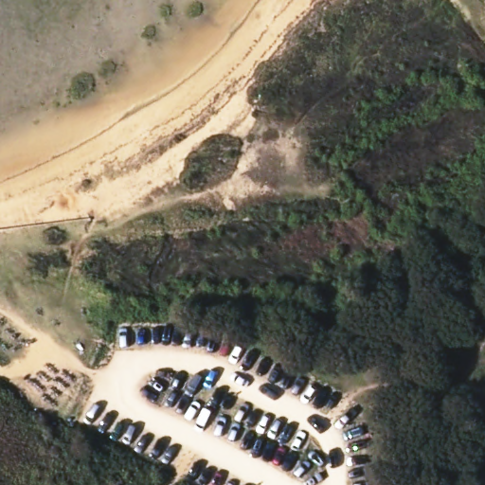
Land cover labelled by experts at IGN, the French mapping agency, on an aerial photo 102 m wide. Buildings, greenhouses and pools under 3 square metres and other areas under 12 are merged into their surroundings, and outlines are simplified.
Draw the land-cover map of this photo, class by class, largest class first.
<instances>
[{"label":"herbaceous vegetation","instance_id":"1","mask_svg":"<svg viewBox=\"0 0 485 485\"><path fill-rule=\"evenodd\" d=\"M313 8L301 17V21L294 28L299 38L296 47L286 49L280 57H271L269 61L258 64L254 72L256 81L248 91V104L254 110V125L246 136L248 142H269L284 138L286 129L292 127L296 138L301 140L299 155L303 157L307 169V182L311 186L328 184L330 191L326 197L339 203V218H343L350 229L356 231L362 244H366L369 237V225H375L377 231H381L392 222L396 210L402 207L415 208L417 203H421L422 193L419 186L432 188L451 184L458 174L455 165H464L468 161V155L476 152L477 136L485 133V42L477 36L476 30L464 19V15L455 8L457 0H309ZM242 155L241 136L220 133L208 136L207 140H203L186 157L180 180L191 193L220 186L222 182L231 178V174L239 165ZM263 195H248L242 199L241 205L231 210L225 207L212 210L199 201L178 203L161 208L157 212L140 214L121 224L108 231L104 239L125 244L127 241L142 239L146 235H172L176 239L186 233H197L224 224L263 220ZM63 250L70 261V267H51L47 277L28 271L30 252L55 254ZM93 256V250L89 248V239L85 241L68 233L63 244H49L44 231H40L38 227H30V231L23 237V244H0V301L6 299L28 324L51 333V337L61 347L70 350L76 358H80L87 368L99 369L100 362L108 356L112 343L108 339H102V330H106V309L110 307L112 296L110 292H104L97 282L85 278L81 271V263ZM441 375L447 377L455 386L464 385L470 388L472 396L481 405L479 411L472 413L474 421L485 426V339L479 343V349L445 345L438 354ZM314 379L318 383L330 386L333 392H339L341 396L354 386L377 383V388H386L388 383L381 381V375L375 369H366L358 375L343 377L314 373ZM91 451L83 440V434L78 430L63 428L61 438H53L42 417H32L30 413H23L21 404L9 392L0 388V485H99L95 474L89 470ZM354 405L362 407V413L358 417L368 426L369 440L366 449L369 458L364 470L368 485H379V479L373 474V470L377 466L379 451L383 449V438L377 434L381 422L377 419V413L373 411L375 396L371 392L358 396L354 402Z\"/></svg>","mask_w":485,"mask_h":485},{"label":"bare soil","instance_id":"2","mask_svg":"<svg viewBox=\"0 0 485 485\"><path fill-rule=\"evenodd\" d=\"M313 8L309 0H0V225L53 222L55 225L59 220L87 216L89 212L106 220H119L121 224L140 214L157 212L161 208L178 203L199 201L212 210L225 207L231 210L241 205L242 199L248 195H263L278 197L286 193H301L305 199L326 197L330 191L328 184L311 186L307 182V169L303 157L299 155L301 140L296 138L292 127L286 129L284 138L269 142H248L246 136L254 125V110L248 104V91L256 81L254 72L258 64L269 61L271 57H280L286 49L296 47L299 38L294 28L301 21V17ZM220 133L241 136L242 155L239 165L231 174V178L222 182L220 186L191 193L180 180L186 157L203 140H207L208 136Z\"/></svg>","mask_w":485,"mask_h":485},{"label":"pervious surface","instance_id":"3","mask_svg":"<svg viewBox=\"0 0 485 485\"><path fill-rule=\"evenodd\" d=\"M455 8L464 15V19L476 30L477 36L485 42V0H457ZM121 224L119 220H106L89 212L87 216L59 220L55 225L53 222L0 225V244H23V237L30 231V227H38L40 231H44L49 244H63L68 233L85 241L89 239L95 235L104 239L108 231ZM242 332V328L237 324L233 326V332L229 335L224 333L220 341L205 335L193 333L189 337L172 324L155 326V322H121L117 326V341L112 343L108 356L100 362L99 369L87 368L80 358H76L70 350L61 347L51 337V333L28 324L6 299L0 301V388L9 392L21 404L23 413H30L32 417H42L53 438H61L63 428L78 430L83 434V440L91 451L99 455H110V449L114 447L119 449L125 460H136L140 453L167 466H174L176 474L167 485H368L364 470L369 458L366 449L369 440L368 426L358 417L362 413V407L354 405V402L358 396L371 392L377 388V383L354 386L341 396L339 392H333L330 386L318 383L314 379V373H309V377H296L286 373L280 368V364L273 362L271 358L260 354V350L242 352L241 347H237V335Z\"/></svg>","mask_w":485,"mask_h":485},{"label":"deciduous trees","instance_id":"4","mask_svg":"<svg viewBox=\"0 0 485 485\"><path fill-rule=\"evenodd\" d=\"M458 174L451 184L432 188L419 186L422 193L421 203H417L415 208L402 207L396 210L392 222L381 231H377L375 225H369V237L383 242V248L388 250L377 263L381 277L377 282L375 294H368L366 297L362 296V292L356 294L354 290H350L347 280L337 282L333 286L335 299H320L311 288H290L280 282H269L267 288L252 286V296L260 297L256 320H244V316L237 309L225 305L210 309L193 305L180 307L182 320L207 330L205 335L220 341L224 333L229 335L233 332V326L237 324L242 328V332L237 335V347H241L242 352L260 350V354L271 358L273 362L280 364V368L286 373L296 377H309V373H314L343 377L358 375L366 369H375L381 375V381L388 383L386 388H377L371 392L375 396L373 411L377 413V419L381 422L377 434L383 438V449L379 451L377 466L373 470V474L379 479V485H485V426L474 421L472 413L479 411L481 405L472 396L470 388L464 385L455 386L447 377L441 375L438 354L445 345L479 349V343L485 339V133L477 136L476 152L468 155V161L464 165H455Z\"/></svg>","mask_w":485,"mask_h":485},{"label":"brushwood","instance_id":"5","mask_svg":"<svg viewBox=\"0 0 485 485\"><path fill-rule=\"evenodd\" d=\"M263 220L224 224L197 233H186L176 239L172 235H146L142 239L127 241L125 244L104 239L95 235L89 239V248L93 250V256L81 263V271L85 278L97 282L104 292H110L112 296L110 307L106 309V330H102V339H108L112 343L117 341V326L121 322H155V326L172 324L189 337L193 333L205 335L207 330L182 320L180 307L193 305L210 309L225 305L237 309L244 316V320H256L260 297L252 296V286L267 288L269 282H280L290 288H311L320 299H335L333 286L337 282L347 280L350 290H354L356 294L362 292V296L366 297L368 294H375L377 282L381 277L377 263L388 250L383 248V242L369 237L366 244H362L356 231L350 229L343 218H339V203L326 197L305 199L301 193H286L278 197L263 195ZM51 267H70V261L63 250L55 254L30 252L28 271L47 277ZM89 470L95 474L99 485H167L176 474L174 466H167L140 453L136 460H125L119 449L114 447L110 449V455H99L91 451Z\"/></svg>","mask_w":485,"mask_h":485}]
</instances>
